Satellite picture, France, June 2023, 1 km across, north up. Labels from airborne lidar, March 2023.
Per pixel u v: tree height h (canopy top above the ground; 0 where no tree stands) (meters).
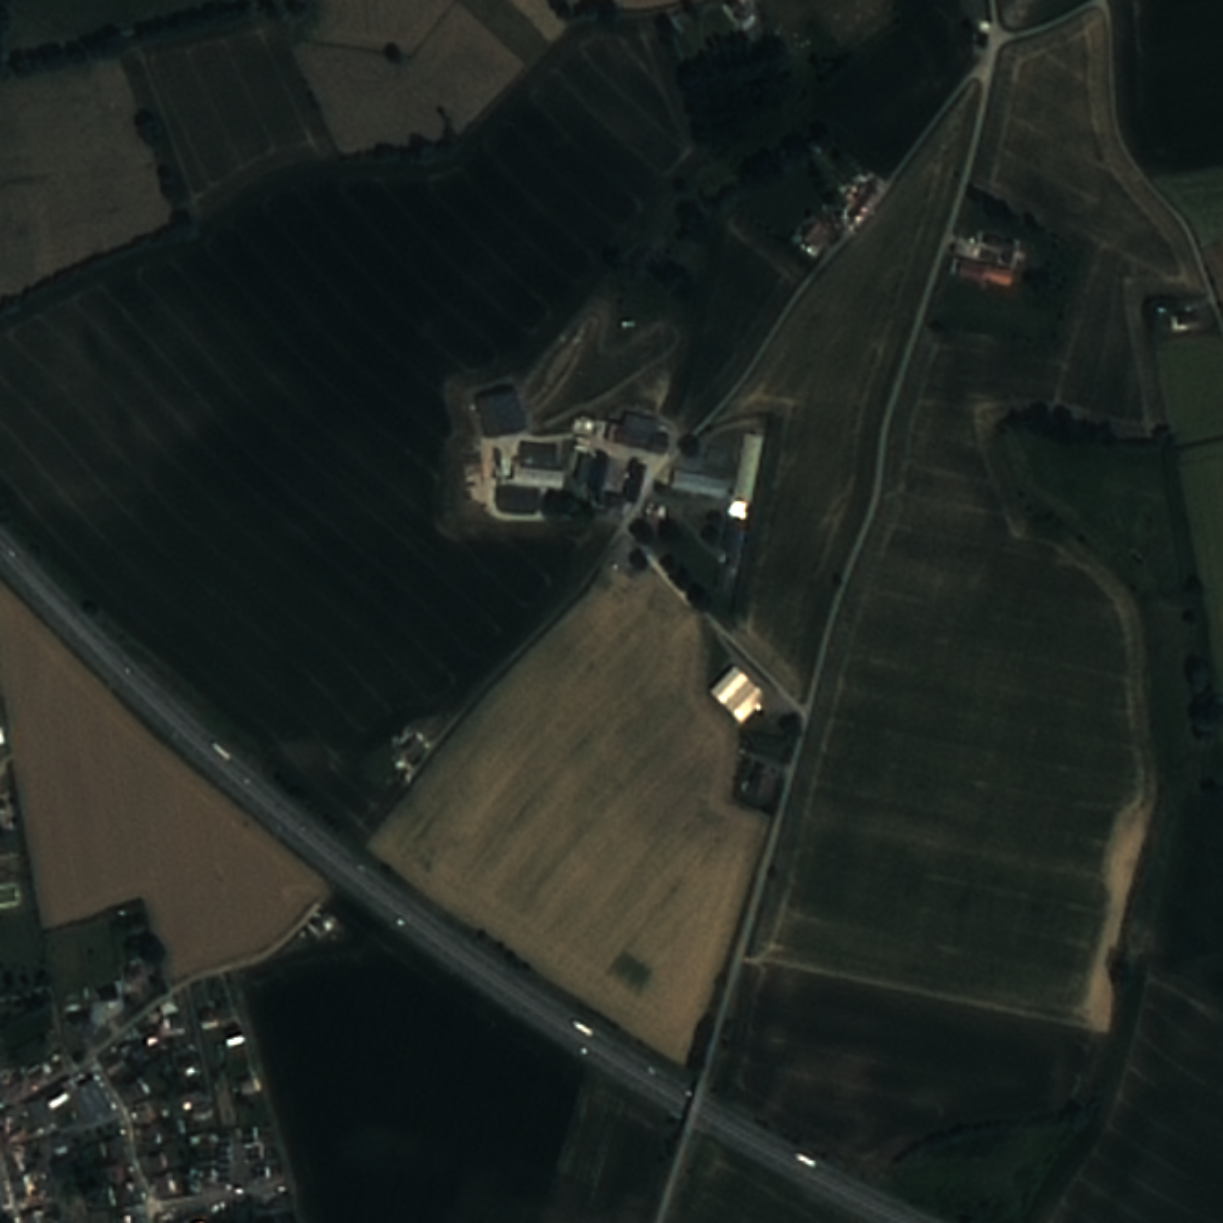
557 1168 0
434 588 0
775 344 0
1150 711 0
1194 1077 0
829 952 0
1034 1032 0
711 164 0
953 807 0
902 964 0
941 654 0
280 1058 0
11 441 0
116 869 0
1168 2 0
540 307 0
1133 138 0
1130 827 0
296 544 0
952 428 0
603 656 0
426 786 0
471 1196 0
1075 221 0
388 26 0
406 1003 0
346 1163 0
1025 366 0
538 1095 0
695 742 0
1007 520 0
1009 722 0
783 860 0
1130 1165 0
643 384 0
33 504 0
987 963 0
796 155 18
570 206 0
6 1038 0
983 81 0
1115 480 0
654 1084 0
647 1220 0
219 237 0
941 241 0
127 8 0
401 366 0
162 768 0
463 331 0
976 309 0
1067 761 0
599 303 0
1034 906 0
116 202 0
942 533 0
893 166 0
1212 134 0
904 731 0
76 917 0
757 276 0
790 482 0
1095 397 0
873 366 0
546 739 0
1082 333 0
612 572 0
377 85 0
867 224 0
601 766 0
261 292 0
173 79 0
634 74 0
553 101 0
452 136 7
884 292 0
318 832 0
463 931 0
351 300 0
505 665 0
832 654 0
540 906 0
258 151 0
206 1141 0
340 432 0
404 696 0
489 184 0
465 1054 0
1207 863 0
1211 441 0
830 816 0
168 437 0
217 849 0
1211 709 28
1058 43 0
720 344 0
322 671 0
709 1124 0
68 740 0
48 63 17
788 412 0
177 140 0
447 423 0
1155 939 0
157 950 14
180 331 0
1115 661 0
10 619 0
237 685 0
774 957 0
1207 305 0
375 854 0
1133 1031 0
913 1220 0
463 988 0
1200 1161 0
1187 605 0
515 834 0
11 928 0
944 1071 0
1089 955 0
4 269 0
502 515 0
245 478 0
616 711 0
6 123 0
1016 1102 0
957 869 0
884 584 0
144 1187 0
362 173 0
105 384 0
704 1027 8
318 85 0
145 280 0
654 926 0
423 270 0
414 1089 0
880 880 0
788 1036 0
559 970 0
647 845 0
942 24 0
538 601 0
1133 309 0
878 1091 0
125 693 0
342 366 0
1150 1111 0
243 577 0
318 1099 0
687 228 13
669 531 15
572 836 0
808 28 0
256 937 0
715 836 0
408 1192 0
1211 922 0
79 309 0
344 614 0
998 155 0
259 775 0
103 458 0
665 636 0
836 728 0
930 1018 0
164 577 0
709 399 0
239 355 0
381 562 0
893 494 0
